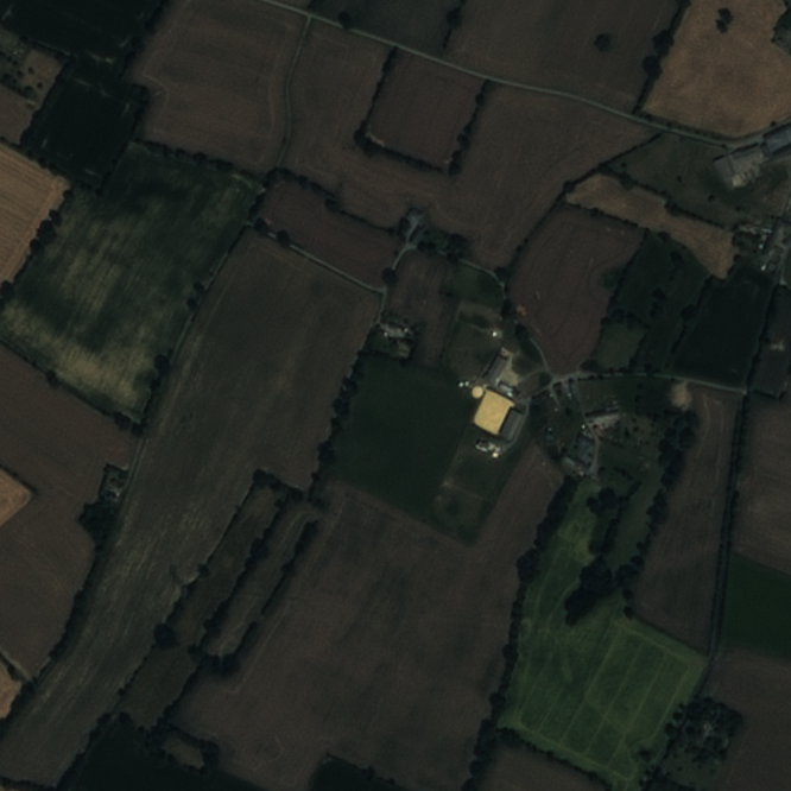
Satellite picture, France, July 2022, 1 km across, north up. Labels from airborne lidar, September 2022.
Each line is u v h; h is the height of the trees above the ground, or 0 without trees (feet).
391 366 0
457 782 0
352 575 0
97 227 0
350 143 0
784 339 0
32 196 0
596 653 0
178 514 0
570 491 50
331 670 0
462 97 0
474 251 0
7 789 36
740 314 0
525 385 0
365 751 0
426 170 40
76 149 0
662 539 0
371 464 0
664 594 0
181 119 0
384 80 21
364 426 0
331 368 0
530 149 0
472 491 0
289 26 0
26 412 0
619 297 25
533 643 0
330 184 0
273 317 0
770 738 0
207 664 48
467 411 0
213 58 0
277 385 0
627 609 39
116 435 0
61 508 0
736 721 57
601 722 0
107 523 27
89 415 0
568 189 39
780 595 0
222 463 0
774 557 0
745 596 0
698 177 0
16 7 0
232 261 0
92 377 0
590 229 0
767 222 0
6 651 0
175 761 46
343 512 0
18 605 0
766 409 0
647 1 0
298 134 0
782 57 0
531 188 0
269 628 0
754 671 0
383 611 0
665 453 67
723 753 45
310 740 0
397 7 0
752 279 0
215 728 0
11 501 0
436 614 0
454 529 0
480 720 0
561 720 0
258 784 0
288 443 0
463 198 0
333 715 0
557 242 0
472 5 0
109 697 0
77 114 0
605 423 0
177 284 0
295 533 0
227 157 0
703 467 0
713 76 0
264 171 0
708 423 0
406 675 0
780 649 0
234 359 0
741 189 0
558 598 0
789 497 0
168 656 0
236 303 0
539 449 0
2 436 0
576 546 0
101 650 0
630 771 0
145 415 22
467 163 0
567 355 0
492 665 0
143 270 0
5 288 45
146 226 0
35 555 0
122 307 0
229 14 0
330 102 0
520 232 0
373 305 0
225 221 0
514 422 0
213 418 0
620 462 0
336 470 0
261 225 58
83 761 42
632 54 0
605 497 57
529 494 0
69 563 0
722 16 48
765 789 0
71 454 0
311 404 0
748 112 0
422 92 0
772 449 0
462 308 0
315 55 0
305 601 0
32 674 0
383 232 23
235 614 0
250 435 0
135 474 0
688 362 0
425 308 0
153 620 0
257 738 0
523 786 0
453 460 0
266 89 0
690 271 0
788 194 0
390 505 0
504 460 0
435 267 0
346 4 0
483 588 0
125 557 0
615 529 35
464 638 0
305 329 0
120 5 0
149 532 0
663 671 0
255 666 0
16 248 0
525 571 72
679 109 0
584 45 0
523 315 0
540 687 0
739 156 0
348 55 0
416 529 0
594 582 86
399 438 0
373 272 0
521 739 31
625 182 44
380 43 0
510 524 0
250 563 42
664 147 0
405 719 0
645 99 24
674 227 0
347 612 0
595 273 0
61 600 0
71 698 0
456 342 0
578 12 0
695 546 0
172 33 0
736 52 0
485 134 0
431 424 0
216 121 0
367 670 0
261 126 0
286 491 20
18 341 0
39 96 0
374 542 0
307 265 0
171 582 0
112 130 0
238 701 0
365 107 0
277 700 0
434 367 0
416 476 0
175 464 0
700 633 0
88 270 0
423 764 0
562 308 0
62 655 35
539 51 0
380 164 0
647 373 37
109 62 0
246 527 0
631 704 0
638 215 0
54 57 21
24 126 0
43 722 0
